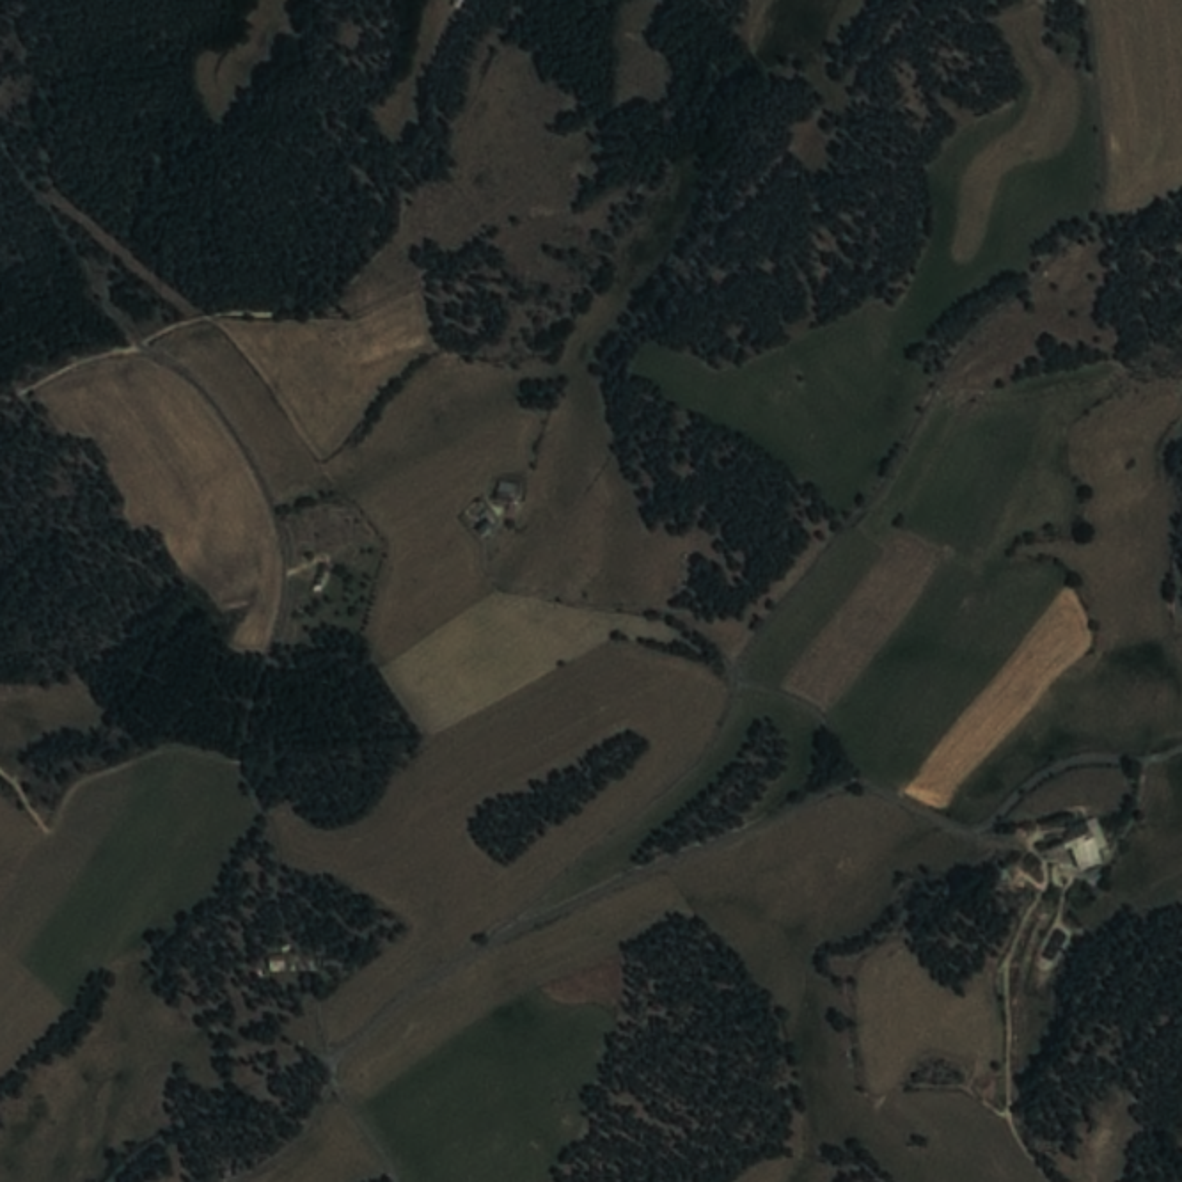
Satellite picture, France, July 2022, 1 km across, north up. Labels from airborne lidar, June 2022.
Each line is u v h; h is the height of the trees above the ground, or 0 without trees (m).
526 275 0
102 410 0
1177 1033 21
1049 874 0
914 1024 0
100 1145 0
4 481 17
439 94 20
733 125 25
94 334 14
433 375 0
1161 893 0
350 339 0
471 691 0
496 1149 0
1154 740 0
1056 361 15
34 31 15
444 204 0
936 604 0
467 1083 0
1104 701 0
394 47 19
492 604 0
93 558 14
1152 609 0
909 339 0
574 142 0
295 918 16
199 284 19
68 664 10
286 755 16
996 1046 0
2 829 0
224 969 17
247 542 0
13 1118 0
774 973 0
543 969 0
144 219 25
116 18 16
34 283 16
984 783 0
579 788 17
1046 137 0
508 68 0
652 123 25
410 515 0
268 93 18
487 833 15
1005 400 0
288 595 0
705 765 0
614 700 0
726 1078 18
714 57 26
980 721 0
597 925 0
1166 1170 14
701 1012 19
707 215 14
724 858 0
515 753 0
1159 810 0
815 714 0
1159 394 0
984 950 9
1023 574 0
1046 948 0
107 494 13
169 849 0
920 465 0
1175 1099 18
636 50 0
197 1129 16
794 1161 0
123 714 20
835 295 20
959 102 17
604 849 0
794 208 18
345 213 18
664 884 0
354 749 18
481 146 0
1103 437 0
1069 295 0
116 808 0
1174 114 0
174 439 0
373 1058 0
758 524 16
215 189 18
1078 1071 14
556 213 0
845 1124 0
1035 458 0
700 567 18
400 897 0
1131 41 0
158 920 0
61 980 0
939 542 0
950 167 0
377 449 0
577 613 0
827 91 0
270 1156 13
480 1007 0
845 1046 0
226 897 15
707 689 0
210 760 0
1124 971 19
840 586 0
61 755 14
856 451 0
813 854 0
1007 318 0
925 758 0
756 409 0
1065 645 0
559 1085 0
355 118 12
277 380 0
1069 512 0
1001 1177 0
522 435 0
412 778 0
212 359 0
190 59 20
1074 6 14
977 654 0
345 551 0
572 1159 10
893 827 0
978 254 0
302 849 0
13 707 0
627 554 0
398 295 0
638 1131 16
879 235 7
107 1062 0
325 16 17
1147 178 0
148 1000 0
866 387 0
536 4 17
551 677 0
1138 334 16
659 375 0
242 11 18
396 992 0
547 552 0
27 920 0
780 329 14
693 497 18
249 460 0
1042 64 0
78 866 0
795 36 0
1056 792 0
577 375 0
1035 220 0
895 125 19
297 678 14
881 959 0
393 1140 0
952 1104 0
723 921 0
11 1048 0
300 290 15
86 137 20
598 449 0
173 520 0
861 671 0
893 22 18
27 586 20
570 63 19
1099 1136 0
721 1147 18
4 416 11
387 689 11
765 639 0
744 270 15
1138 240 16
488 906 0
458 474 0
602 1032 0
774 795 0
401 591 0
